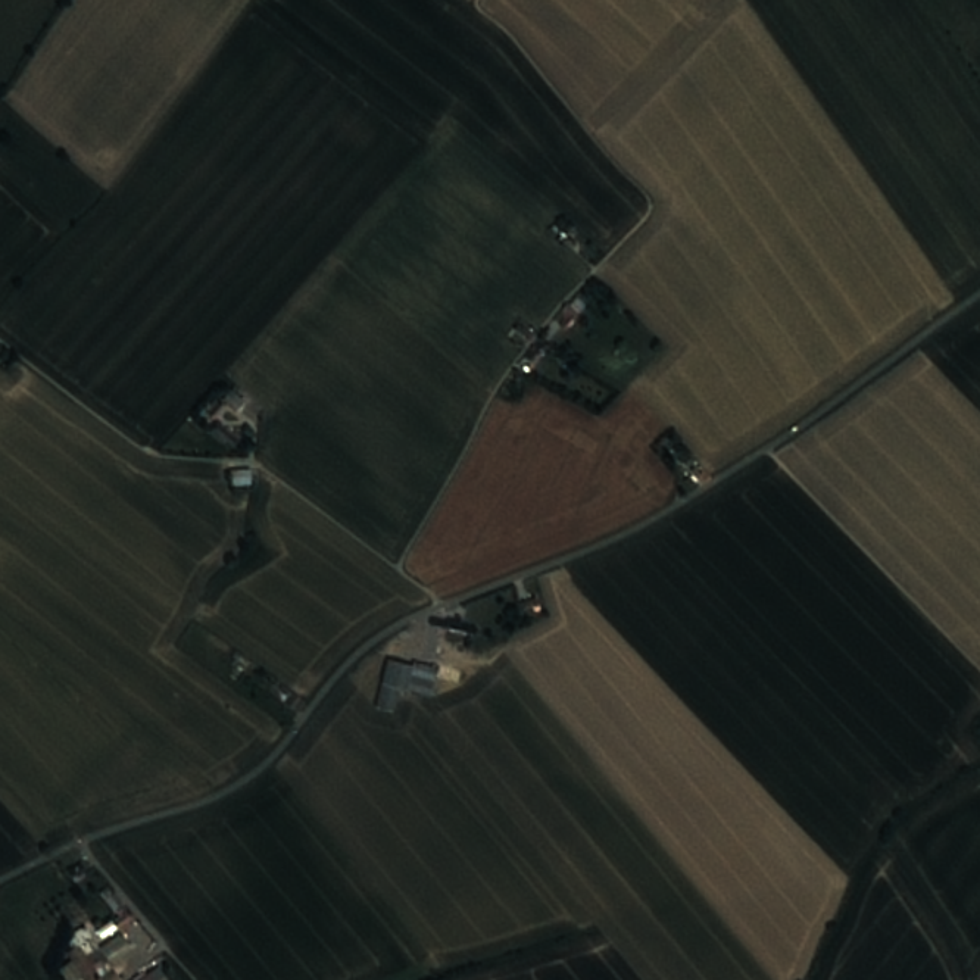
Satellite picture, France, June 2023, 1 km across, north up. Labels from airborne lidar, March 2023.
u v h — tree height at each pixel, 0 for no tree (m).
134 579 0
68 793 0
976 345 0
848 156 0
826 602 0
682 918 0
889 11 0
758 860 0
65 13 0
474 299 0
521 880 0
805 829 0
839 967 0
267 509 0
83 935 0
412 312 0
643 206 0
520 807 0
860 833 0
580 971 0
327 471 0
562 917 0
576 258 0
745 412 0
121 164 0
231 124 0
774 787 0
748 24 0
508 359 0
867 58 0
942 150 0
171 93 0
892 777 0
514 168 0
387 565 0
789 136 0
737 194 0
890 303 0
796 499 0
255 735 0
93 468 0
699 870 0
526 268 0
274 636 0
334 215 0
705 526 0
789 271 0
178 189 0
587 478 0
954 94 0
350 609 0
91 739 0
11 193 0
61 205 0
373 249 0
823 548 0
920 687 0
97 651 0
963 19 0
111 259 0
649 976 0
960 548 0
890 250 0
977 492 0
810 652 0
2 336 0
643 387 0
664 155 0
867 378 0
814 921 0
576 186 0
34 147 0
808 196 0
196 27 0
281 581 0
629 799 0
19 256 0
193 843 0
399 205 0
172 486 0
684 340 0
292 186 0
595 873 0
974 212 0
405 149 0
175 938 0
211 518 0
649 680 0
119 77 0
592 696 0
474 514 0
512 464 0
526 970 0
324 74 0
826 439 0
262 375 0
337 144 0
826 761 0
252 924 0
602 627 0
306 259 0
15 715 0
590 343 0
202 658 0
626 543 0
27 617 0
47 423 0
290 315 0
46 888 0
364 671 0
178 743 0
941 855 0
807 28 0
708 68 0
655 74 0
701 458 0
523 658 0
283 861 0
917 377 0
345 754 0
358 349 0
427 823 0
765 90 0
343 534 0
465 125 0
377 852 0
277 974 0
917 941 0
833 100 0
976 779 0
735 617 0
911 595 0
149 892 0
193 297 0
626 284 0
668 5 0
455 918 0
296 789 0
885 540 0
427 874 0
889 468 0
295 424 0
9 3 0
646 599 0
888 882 0
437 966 0
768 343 0
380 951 0
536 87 0
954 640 0
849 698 0
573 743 0
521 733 0
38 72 0
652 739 0
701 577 0
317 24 0
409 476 0
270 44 0
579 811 0
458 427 0
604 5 0
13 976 0
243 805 0
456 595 0
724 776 0
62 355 0
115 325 0
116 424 0
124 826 0
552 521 0
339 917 0
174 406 0
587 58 0
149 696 0
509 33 0
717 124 0
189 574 0
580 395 9
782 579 0
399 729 0
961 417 0
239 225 0
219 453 0
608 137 0
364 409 0
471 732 0
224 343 0
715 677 0
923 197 0
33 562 0
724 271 0
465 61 0
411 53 0
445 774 0
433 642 0
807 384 0
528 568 0
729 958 0
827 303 0
